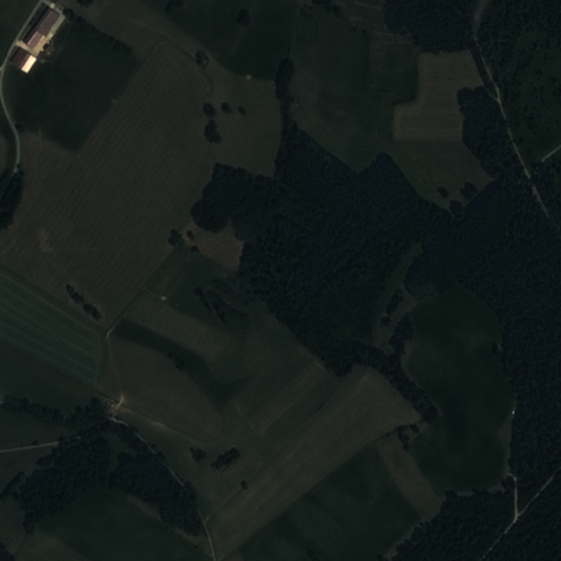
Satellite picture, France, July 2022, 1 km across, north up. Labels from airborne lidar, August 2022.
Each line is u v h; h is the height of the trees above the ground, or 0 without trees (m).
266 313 0
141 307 0
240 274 7
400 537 0
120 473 22
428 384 0
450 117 0
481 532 15
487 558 8
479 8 0
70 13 15
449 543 8
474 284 27
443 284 23
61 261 0
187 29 0
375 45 0
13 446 0
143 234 0
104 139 0
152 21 0
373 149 0
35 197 0
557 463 11
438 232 23
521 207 32
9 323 0
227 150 0
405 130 0
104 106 0
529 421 32
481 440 0
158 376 0
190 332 0
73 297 15
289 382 0
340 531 0
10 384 0
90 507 0
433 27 24
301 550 0
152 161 0
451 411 0
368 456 0
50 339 0
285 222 28
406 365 0
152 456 21
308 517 0
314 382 0
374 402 0
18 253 0
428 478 0
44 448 0
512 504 9
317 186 22
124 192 0
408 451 9
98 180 0
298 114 0
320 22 0
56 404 0
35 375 0
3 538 0
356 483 0
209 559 0
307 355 0
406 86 0
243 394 0
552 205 35
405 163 0
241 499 0
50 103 0
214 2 0
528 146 0
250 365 0
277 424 0
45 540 0
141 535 0
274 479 0
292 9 0
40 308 0
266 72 0
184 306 0
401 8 26
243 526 0
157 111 0
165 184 0
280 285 11
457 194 0
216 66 0
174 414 0
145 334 0
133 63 0
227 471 0
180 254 0
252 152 0
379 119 0
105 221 0
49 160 0
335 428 0
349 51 0
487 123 11
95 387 0
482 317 0
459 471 0
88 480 24
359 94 0
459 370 0
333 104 0
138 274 0
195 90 0
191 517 24
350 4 0
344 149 0
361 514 0
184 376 0
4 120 0
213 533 0
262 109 0
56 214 0
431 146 0
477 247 26
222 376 0
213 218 22
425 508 0
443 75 0
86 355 0
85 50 0
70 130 0
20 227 0
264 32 0
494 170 30
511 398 0
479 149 21
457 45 25
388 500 0
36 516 21
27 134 0
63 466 26
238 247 0
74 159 0
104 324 0
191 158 0
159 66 0
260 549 0
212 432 0
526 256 29
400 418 0
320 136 0
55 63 0
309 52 0
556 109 0
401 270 0
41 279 0
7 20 0
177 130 0
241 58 0
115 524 0
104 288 0
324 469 0
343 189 23
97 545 0
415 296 20
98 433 18
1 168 0
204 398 0
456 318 0
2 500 12
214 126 16
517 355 27
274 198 12
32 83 0
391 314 9
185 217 0
